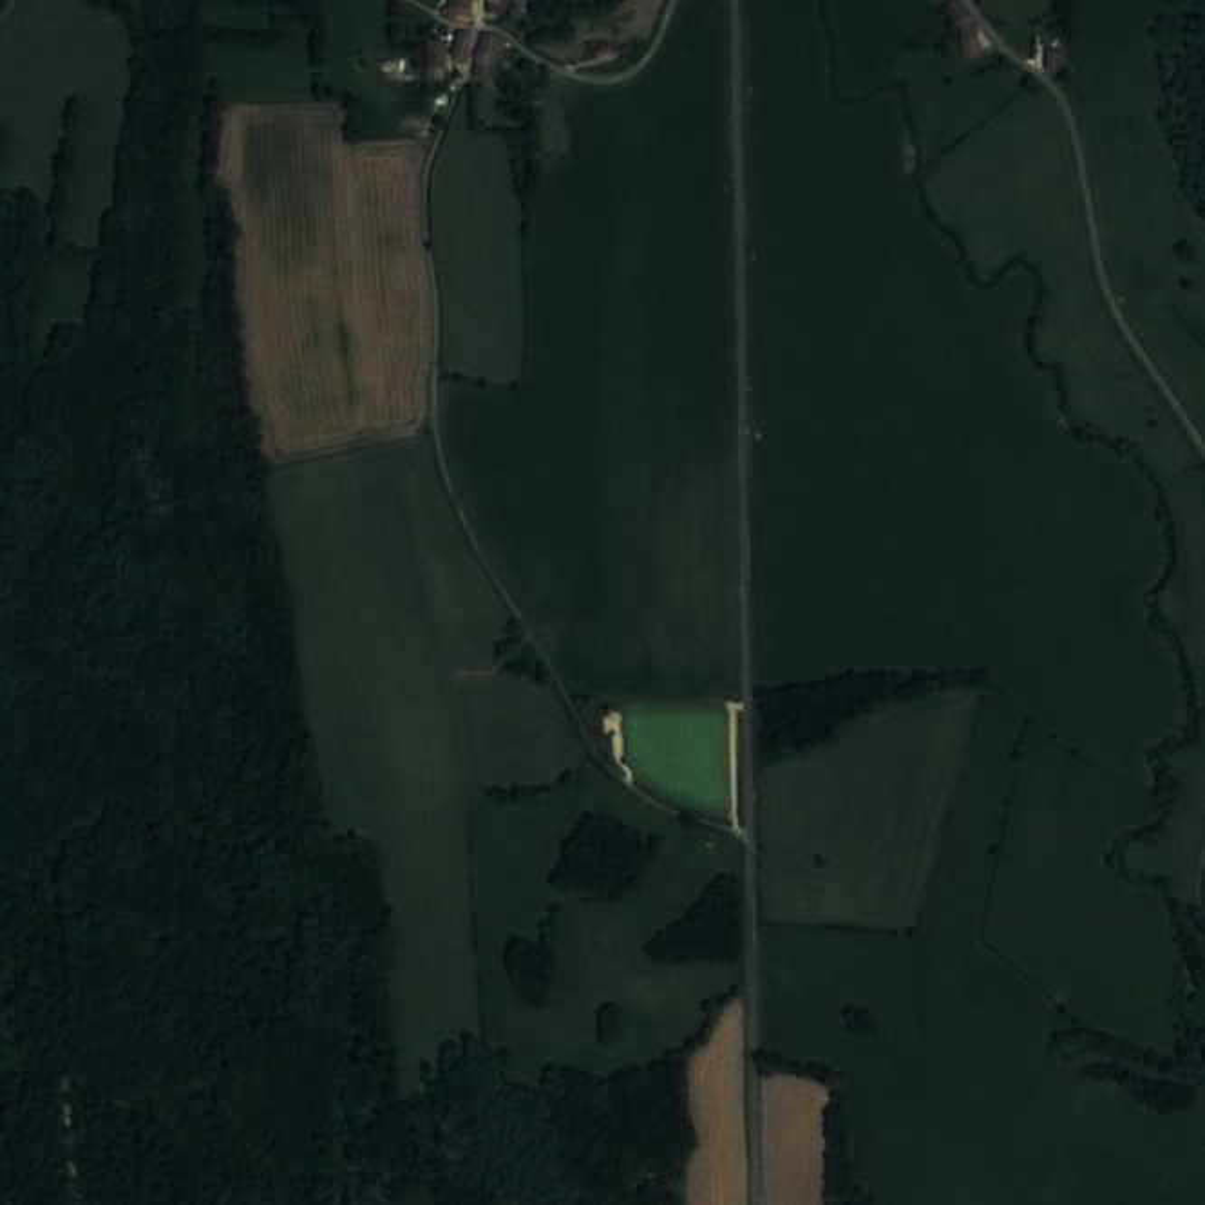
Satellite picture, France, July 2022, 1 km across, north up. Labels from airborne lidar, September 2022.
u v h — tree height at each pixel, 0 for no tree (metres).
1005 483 0
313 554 0
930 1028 0
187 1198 22
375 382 0
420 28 0
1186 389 0
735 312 0
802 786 0
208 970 19
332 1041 18
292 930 6
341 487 0
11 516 18
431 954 0
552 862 0
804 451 0
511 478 0
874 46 0
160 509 31
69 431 9
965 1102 0
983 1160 0
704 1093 0
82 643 21
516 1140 20
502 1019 0
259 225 0
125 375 9
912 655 0
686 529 0
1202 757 0
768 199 0
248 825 17
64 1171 14
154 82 20
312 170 0
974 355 0
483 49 0
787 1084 0
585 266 0
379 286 0
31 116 0
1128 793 0
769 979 0
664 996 0
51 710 19
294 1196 22
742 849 0
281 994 14
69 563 19
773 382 0
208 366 12
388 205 0
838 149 0
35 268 24
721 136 0
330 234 0
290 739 7
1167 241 0
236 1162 22
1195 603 0
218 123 14
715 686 0
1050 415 0
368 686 0
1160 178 0
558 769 0
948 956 0
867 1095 0
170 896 22
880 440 0
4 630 20
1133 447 14
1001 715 0
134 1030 22
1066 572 0
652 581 0
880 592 0
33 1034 10
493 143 0
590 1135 18
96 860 23
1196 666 0
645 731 0
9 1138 17
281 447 0
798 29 0
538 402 0
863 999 0
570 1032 0
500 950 0
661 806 0
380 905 7
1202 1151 0
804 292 0
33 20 0
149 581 27
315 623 0
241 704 20
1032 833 0
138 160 21
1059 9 14
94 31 0
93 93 0
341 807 0
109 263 20
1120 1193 0
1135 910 0
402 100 0
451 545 0
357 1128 25
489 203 0
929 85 0
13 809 17
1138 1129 0
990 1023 0
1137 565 0
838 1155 18
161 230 13
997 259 0
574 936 0
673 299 0
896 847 0
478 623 0
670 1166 19
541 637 0
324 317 0
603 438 0
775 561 0
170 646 25
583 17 13
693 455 0
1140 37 0
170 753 18
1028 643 0
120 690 21
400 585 0
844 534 0
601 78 0
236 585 16
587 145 0
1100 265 0
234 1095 17
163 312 28
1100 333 0
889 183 0
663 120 0
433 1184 7
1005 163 0
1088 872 0
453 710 0
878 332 0
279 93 0
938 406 0
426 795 0
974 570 0
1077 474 0
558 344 0
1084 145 0
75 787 19
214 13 0
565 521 0
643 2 0
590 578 0
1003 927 0
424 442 0
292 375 0
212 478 22
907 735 0
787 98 0
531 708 0
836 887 0
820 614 0
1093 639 0
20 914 16
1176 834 0
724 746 0
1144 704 0
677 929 9
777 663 0
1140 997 0
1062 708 0
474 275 0
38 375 14
